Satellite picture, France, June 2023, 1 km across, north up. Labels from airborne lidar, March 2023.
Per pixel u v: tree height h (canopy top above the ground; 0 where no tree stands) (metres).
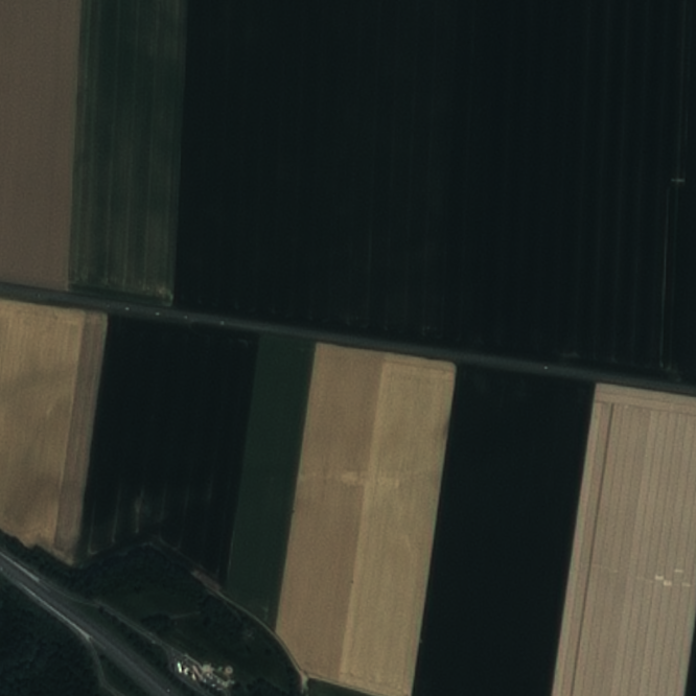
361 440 0
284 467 0
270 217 0
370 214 0
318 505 0
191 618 0
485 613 0
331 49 0
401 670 0
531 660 0
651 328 0
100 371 0
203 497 0
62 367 0
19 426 0
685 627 0
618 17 0
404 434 0
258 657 0
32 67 0
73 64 0
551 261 0
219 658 0
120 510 0
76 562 0
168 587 13
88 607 0
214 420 0
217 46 0
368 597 0
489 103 0
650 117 0
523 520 0
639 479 0
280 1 0
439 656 0
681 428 0
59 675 17
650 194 0
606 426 0
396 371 0
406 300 0
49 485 0
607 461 0
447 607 0
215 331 0
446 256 0
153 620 11
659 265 0
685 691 0
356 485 0
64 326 0
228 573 0
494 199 0
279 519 0
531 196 0
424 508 0
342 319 0
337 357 0
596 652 0
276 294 0
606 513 0
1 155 0
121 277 0
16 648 28
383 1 0
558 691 0
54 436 0
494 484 0
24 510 0
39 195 0
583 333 0
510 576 0
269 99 0
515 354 0
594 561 0
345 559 0
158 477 0
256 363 0
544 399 0
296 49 0
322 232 0
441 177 0
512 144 0
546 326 0
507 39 0
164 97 0
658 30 0
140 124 0
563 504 0
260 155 0
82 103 0
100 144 0
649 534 0
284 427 0
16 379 0
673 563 0
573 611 0
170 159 0
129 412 0
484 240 0
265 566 0
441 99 0
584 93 0
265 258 0
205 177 0
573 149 0
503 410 0
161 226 0
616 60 0
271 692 13
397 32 0
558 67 0
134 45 0
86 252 0
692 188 0
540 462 0
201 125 0
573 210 0
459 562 0
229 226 0
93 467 0
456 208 0
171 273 0
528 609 0
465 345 0
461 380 0
